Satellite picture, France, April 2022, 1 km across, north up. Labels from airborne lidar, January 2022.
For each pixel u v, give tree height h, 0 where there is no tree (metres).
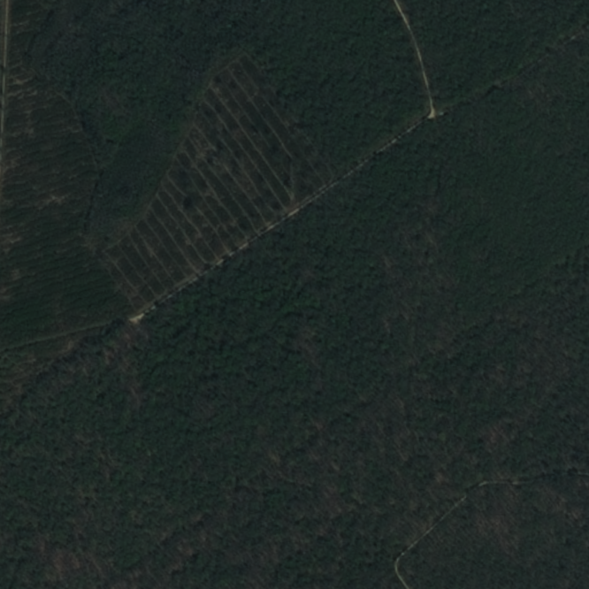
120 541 24
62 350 0
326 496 27
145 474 22
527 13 23
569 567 22
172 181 0
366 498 28
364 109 20
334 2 21
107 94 31
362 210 18
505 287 19
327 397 26
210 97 0
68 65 25
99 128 25
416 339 21
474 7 24
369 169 21
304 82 24
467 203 23
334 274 23
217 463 24
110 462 24
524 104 23
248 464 24
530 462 20
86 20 18
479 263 19
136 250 0
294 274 26
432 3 20
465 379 24
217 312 24
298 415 26
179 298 27
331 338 23
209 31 19
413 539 24
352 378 22
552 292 21
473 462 24
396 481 24
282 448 27
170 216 0
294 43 25
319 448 26
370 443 27
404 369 24
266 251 28
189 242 0
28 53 9
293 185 30
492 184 23
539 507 23
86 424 24
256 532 25
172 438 24
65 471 27
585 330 24
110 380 25
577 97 23
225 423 21
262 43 24
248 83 0
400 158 19
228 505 20
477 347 25
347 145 23
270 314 25
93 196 8
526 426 26
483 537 23
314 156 23
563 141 21
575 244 19
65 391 23
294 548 26
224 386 25
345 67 18
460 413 23
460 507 24
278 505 22
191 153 0
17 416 23
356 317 23
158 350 25
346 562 27
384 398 26
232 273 25
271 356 25
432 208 21
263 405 26
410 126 0
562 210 20
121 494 23
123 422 28
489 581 21
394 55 22
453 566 22
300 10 26
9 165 0
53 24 16
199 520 22
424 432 23
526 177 19
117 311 7
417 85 18
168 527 23
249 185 0
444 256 24
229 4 17
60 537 26
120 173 20
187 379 22
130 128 27
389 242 21
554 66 23
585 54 24
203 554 27
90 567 22
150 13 25
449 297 20
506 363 24
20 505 26
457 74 21
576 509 25
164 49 28
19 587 23
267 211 26
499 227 21
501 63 20
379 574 30
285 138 0
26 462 23
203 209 0
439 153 19
